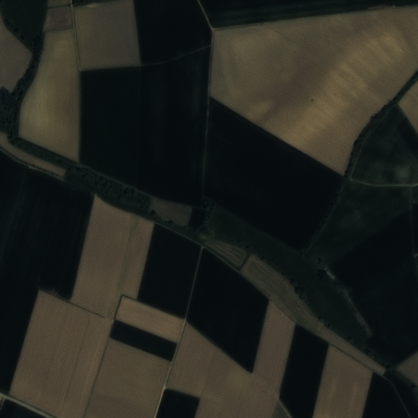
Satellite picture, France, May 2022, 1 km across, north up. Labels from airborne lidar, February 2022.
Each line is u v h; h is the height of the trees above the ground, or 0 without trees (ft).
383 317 0
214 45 0
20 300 0
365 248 0
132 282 0
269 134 0
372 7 0
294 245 0
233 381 0
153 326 0
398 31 0
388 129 0
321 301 0
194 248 0
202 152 0
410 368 0
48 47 0
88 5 0
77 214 0
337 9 0
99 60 0
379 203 0
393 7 0
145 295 0
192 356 0
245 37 0
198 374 0
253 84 0
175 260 0
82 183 0
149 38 0
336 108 0
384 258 0
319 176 0
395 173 0
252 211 0
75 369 0
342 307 0
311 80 0
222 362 0
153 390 0
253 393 0
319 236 0
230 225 0
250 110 0
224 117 0
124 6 0
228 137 0
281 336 0
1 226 0
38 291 0
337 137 0
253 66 0
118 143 0
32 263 0
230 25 0
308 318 0
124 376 0
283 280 0
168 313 0
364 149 0
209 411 0
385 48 0
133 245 0
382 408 0
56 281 0
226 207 0
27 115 0
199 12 0
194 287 0
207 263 0
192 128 0
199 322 0
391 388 0
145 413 0
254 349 0
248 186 0
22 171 0
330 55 0
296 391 0
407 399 0
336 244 0
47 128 0
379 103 0
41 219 0
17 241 0
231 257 0
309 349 0
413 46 0
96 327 0
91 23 0
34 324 0
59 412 0
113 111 0
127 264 0
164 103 0
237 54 0
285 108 0
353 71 0
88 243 0
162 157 0
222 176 0
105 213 0
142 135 0
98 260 0
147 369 0
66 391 0
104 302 0
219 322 0
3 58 0
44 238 0
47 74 0
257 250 0
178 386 0
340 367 0
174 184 0
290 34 0
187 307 0
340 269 0
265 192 0
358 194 0
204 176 0
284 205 0
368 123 0
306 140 0
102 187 21
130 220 0
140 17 0
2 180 0
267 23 0
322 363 0
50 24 0
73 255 0
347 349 0
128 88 0
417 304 0
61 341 0
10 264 0
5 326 0
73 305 0
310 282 0
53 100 0
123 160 0
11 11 0
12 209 0
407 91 0
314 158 0
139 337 0
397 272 0
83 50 0
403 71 0
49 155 22
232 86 0
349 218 0
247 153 0
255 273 0
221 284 0
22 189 0
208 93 0
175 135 0
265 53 0
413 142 0
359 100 0
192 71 0
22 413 0
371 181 0
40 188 0
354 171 0
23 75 0
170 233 0
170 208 0
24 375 0
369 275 0
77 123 0
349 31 0
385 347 0
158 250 0
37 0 0
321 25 0
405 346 0
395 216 0
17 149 0
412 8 0
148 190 0
